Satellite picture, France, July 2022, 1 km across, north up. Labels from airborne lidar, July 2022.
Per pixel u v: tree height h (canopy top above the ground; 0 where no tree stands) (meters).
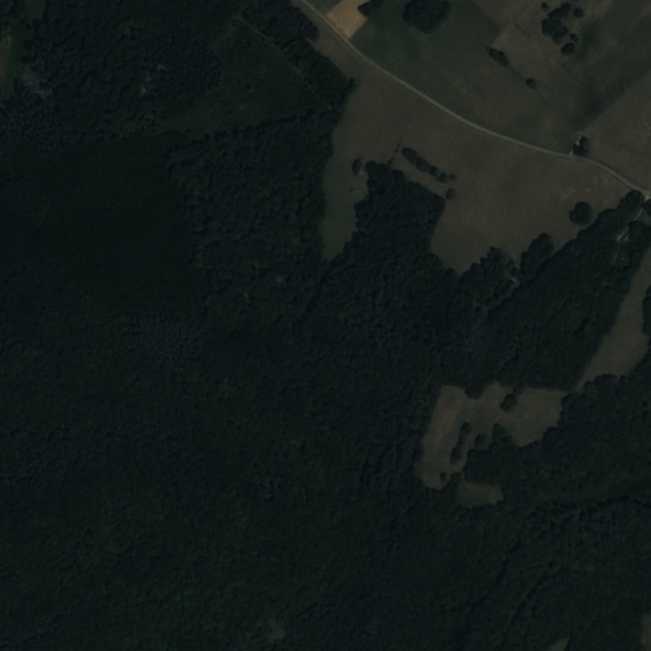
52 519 20
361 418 22
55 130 33
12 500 18
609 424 18
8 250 21
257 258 25
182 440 19
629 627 21
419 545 21
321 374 22
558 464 19
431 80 0
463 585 26
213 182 20
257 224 17
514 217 0
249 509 19
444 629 23
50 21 23
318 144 20
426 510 21
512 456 16
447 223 0
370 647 22
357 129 0
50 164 13
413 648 23
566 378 17
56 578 13
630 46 0
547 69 0
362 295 28
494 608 23
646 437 18
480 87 0
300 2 0
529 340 16
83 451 21
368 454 23
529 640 22
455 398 0
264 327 20
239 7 23
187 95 14
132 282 13
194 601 15
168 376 19
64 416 17
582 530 22
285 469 23
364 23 0
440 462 0
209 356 21
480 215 0
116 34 23
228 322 24
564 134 0
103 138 22
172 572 19
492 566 20
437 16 18
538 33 0
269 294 21
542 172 0
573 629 17
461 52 0
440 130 0
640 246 13
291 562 15
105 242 14
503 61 14
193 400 22
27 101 35
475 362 15
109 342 18
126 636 9
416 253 22
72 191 12
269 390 26
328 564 13
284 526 22
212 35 19
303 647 15
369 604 17
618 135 0
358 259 24
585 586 22
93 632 17
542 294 23
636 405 18
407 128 0
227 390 23
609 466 19
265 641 8
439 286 17
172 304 12
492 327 16
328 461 19
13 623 19
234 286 25
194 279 13
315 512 20
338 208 0
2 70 0
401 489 24
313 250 22
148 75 30
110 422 19
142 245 12
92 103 22
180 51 19
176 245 14
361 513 24
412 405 17
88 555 15
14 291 23
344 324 17
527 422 0
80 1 25
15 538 19
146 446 21
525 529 17
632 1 0
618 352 0
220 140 23
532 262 20
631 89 0
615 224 17
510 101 0
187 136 7
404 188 14
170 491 17
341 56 0
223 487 16
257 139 19
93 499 18
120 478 21
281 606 14
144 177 14
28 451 17
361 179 0
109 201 13
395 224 22
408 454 34
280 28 25
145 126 13
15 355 18
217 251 23
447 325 17
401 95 0
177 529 21
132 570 19
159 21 26
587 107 0
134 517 14
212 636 19
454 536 19
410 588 17
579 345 16
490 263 15
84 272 17
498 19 0
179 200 14
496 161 0
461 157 0
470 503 0
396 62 0
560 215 0
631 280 13
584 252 20
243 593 19
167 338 22
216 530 18
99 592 15
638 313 0
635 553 15
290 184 25
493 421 0
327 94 7
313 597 7
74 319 21
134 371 20
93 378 20
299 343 22
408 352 24
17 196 23
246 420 18
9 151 24
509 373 14
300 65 23
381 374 17
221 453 24
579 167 0
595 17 0
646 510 23
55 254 14
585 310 17
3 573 13
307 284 29
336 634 20
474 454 16
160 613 17
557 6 0
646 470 16
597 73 0
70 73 25
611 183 0
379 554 22
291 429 19
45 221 13
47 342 18
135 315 16
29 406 20
